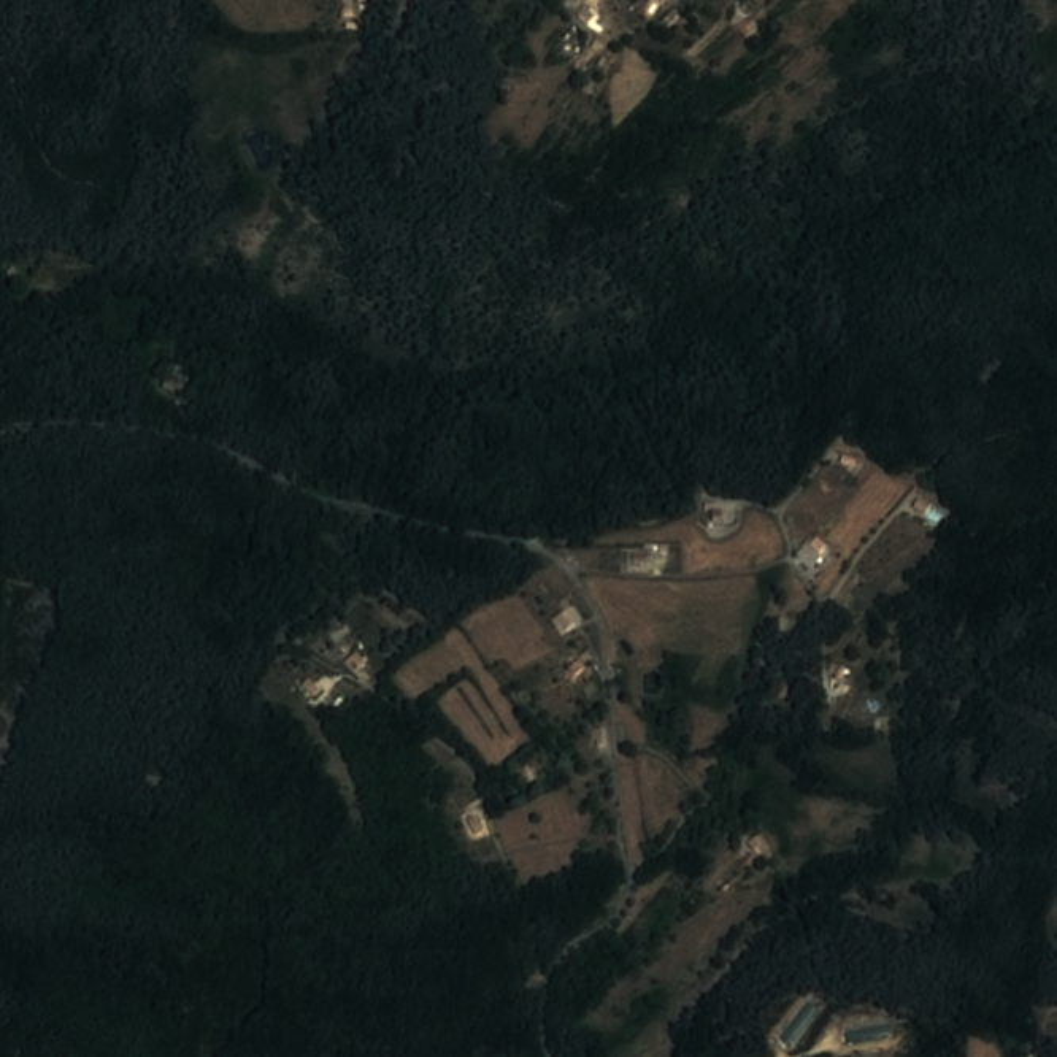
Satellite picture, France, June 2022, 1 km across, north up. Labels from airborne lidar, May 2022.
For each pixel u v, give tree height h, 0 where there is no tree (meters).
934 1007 14
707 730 0
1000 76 19
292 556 16
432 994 18
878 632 15
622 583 0
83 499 14
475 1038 17
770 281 22
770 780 0
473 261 23
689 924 0
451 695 0
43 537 16
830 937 14
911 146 13
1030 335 15
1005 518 19
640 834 0
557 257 11
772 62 8
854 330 17
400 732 12
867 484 0
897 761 8
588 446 16
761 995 14
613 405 17
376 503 8
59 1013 12
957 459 14
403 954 18
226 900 12
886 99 13
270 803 15
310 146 11
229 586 6
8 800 19
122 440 16
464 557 17
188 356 9
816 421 12
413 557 17
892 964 15
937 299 16
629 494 18
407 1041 14
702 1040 16
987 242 19
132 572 17
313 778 17
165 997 14
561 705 0
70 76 12
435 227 22
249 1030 16
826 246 11
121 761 19
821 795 8
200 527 17
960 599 15
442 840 18
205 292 20
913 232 18
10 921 12
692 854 13
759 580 0
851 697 0
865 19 10
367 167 14
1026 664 15
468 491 12
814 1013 0
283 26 0
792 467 8
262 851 24
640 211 11
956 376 16
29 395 18
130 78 16
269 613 20
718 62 8
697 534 0
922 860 0
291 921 19
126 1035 8
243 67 0
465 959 19
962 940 21
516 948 18
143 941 13
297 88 0
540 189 9
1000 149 10
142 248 20
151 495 19
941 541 17
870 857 18
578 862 11
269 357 13
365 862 15
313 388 20
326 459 17
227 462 14
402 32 11
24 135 6
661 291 11
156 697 18
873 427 16
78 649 19
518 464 16
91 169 6
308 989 19
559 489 15
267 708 11
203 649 17
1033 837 14
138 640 18
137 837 21
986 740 17
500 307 17
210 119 0
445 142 19
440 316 21
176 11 12
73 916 10
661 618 0
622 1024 0
